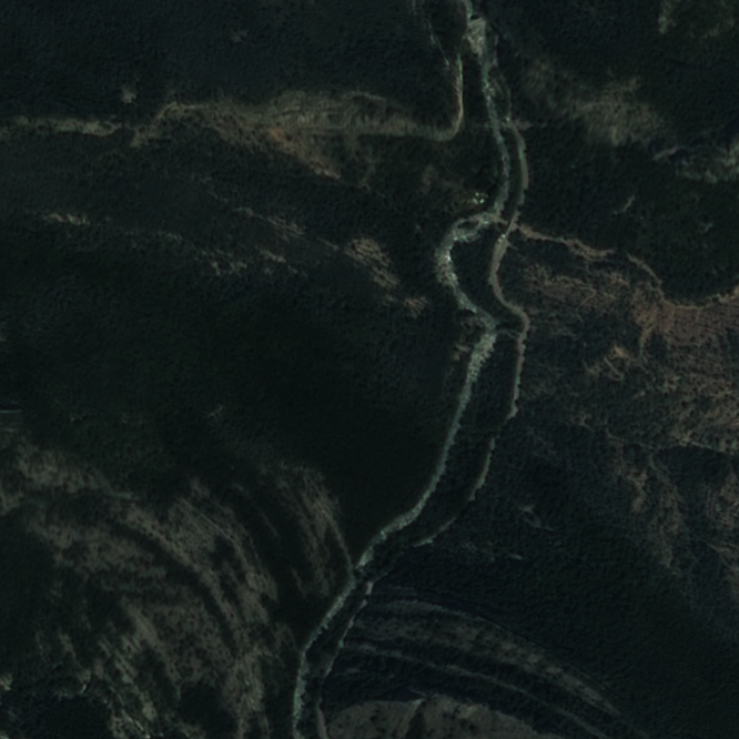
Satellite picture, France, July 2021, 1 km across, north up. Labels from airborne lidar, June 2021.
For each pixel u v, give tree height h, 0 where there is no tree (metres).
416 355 18
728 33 7
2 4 13
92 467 6
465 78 13
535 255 10
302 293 16
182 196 13
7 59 18
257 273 7
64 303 18
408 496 16
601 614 22
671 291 8
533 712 10
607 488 9
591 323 7
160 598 7
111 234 11
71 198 8
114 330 16
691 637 19
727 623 8
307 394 18
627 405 6
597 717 11
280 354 20
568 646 8
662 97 8
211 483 16
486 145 8
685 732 11
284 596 11
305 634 11
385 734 10
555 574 17
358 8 6
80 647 9
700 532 15
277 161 7
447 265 0
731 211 7
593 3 9
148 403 15
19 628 11
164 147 13
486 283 11
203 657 6
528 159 6
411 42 11
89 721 13
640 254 14
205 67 13
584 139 6
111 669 6
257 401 18
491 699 9
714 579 12
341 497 8
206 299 16
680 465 8
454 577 18
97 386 19
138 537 9
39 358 16
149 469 10
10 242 20
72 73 17
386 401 11
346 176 11
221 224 13
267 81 11
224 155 10
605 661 19
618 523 10
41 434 20
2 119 6
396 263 8
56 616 9
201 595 9
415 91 8
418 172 9
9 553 13
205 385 17
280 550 14
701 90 11
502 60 9
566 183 9
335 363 13
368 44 8
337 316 11
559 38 7
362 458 18
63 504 6
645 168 11
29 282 19
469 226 13
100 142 18
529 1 10
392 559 12
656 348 7
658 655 26
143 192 18
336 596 8
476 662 12
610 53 8
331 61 9
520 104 7
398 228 11
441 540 12
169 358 21
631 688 19
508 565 16
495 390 12
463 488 17
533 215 9
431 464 12
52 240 17
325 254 10
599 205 20
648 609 19
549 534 11
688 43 9
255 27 16
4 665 6
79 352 17
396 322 8
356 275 15
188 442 11
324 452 12
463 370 14
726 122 7
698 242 10
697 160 9
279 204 9
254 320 17
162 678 8
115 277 19
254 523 12
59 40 14
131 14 15
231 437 9
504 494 7
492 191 16
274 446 8
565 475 11
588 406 8
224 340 23
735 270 7
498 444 12
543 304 7
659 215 10
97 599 11
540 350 13
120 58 17
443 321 11
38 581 11
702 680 25
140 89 11
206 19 13
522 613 9
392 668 16
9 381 18
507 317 10
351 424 16
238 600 9
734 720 25
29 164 15
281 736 11
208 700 16
